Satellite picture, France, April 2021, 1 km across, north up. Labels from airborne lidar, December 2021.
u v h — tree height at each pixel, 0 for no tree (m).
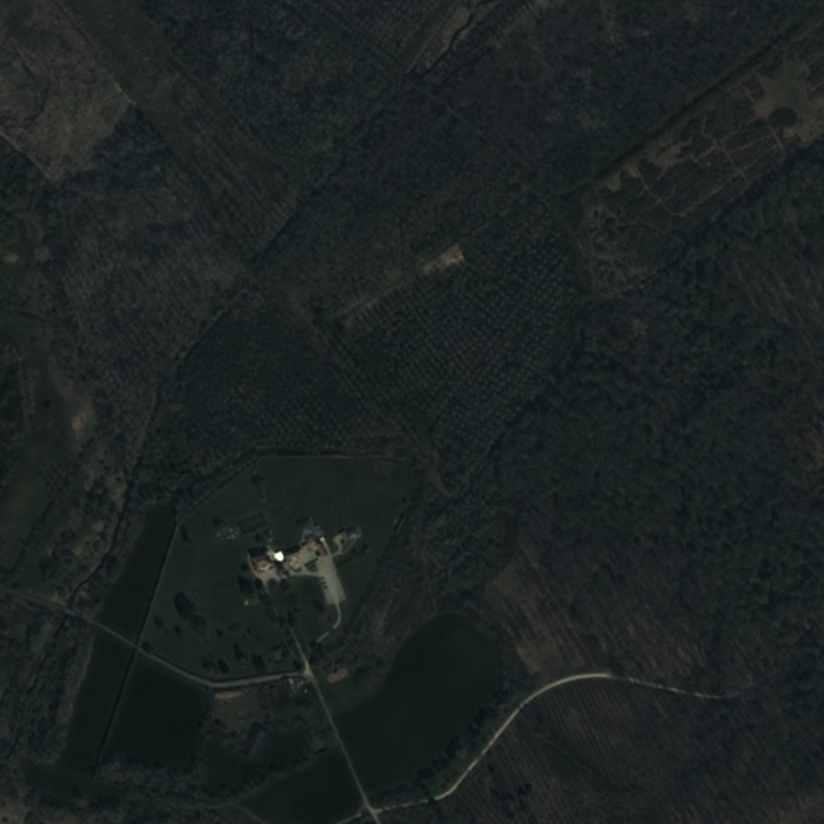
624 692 30
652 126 21
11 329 0
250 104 29
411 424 24
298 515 0
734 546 33
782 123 6
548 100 17
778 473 30
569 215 5
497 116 13
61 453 0
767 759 34
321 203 18
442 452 7
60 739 24
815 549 31
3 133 0
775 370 14
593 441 26
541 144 20
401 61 20
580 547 36
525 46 7
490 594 0
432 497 11
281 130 31
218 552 0
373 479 0
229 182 0
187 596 0
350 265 27
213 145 0
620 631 32
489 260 20
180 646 0
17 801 6
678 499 33
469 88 13
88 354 16
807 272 35
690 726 35
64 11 0
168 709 0
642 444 33
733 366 19
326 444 25
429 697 0
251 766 0
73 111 0
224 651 0
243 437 18
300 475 0
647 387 7
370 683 17
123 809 24
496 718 18
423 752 0
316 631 0
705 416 39
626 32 10
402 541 9
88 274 0
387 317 21
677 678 32
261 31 15
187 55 22
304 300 0
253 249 0
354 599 0
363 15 9
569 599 31
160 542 0
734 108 6
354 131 6
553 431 33
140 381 0
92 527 0
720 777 35
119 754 0
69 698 24
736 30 20
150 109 0
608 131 20
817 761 34
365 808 0
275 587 0
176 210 0
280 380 10
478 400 9
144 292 0
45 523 9
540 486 32
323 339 10
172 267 0
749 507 23
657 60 21
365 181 18
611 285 8
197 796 15
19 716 18
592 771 6
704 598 37
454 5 17
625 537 32
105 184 12
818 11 16
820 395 10
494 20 6
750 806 32
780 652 31
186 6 23
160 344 0
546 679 0
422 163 14
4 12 0
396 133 10
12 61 0
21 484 0
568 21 19
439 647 0
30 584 0
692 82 22
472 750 8
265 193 0
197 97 0
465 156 10
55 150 0
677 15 18
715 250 31
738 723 37
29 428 19
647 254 9
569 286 13
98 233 0
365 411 27
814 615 32
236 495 0
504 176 19
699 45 16
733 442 33
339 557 0
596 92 23
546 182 10
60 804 7
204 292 0
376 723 0
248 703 0
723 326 17
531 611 0
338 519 0
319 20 18
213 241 0
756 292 37
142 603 0
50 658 14
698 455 34
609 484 36
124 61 0
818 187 30
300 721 12
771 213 34
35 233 9
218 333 7
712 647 23
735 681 34
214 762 0
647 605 35
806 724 34
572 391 34
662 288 11
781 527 26
